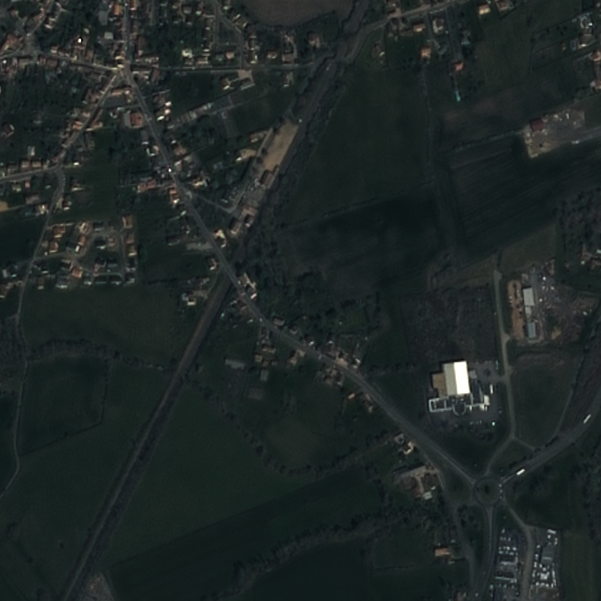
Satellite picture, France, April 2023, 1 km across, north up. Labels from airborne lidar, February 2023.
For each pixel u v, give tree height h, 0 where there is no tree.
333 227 0
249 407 0
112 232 0
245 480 0
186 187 9
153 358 0
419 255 0
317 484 0
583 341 0
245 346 0
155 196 7
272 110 0
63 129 8
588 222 14
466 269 0
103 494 0
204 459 0
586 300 0
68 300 0
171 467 0
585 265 0
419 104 0
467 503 0
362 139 0
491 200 0
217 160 0
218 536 0
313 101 0
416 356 0
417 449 9
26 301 0
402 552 0
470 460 0
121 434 0
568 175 0
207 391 8
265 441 0
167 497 0
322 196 0
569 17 0
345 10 0
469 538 0
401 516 23
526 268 0
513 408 0
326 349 10
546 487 25
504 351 0
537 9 0
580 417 0
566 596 8
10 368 0
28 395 0
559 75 0
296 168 8
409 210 0
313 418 0
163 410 0
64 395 0
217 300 0
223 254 0
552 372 0
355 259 0
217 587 0
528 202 0
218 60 0
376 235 0
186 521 0
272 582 0
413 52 0
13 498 0
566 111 0
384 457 0
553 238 0
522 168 0
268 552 0
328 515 0
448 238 0
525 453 0
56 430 0
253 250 18
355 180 0
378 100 0
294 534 0
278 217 6
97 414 0
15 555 0
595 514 10
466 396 0
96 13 7
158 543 0
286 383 0
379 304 8
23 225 0
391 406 0
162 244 0
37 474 0
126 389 0
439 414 0
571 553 0
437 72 0
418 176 0
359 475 0
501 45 0
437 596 0
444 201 0
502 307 0
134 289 0
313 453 0
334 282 0
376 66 0
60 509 0
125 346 0
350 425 0
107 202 0
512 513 0
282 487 0
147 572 0
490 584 0
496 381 0
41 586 0
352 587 0
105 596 0
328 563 0
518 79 0
